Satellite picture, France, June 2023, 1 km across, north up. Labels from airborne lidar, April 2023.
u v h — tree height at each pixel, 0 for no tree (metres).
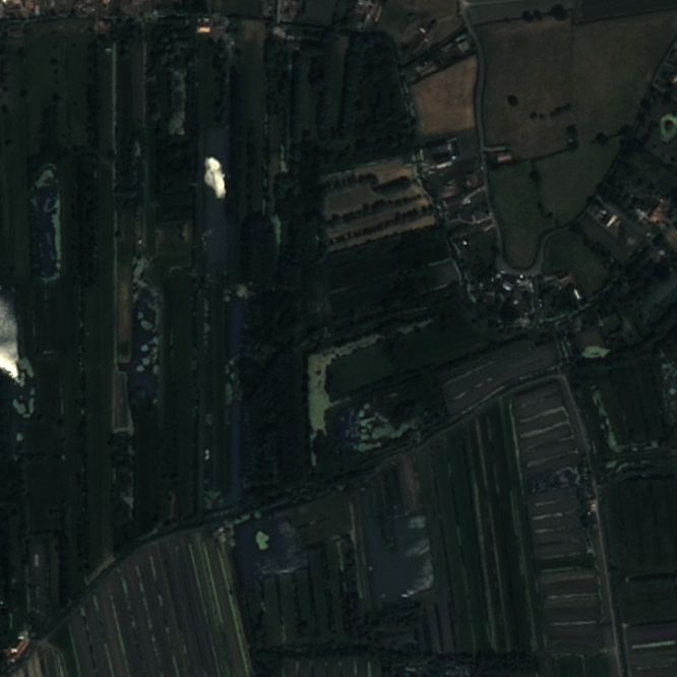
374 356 0
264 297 14
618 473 0
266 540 0
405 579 0
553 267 0
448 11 0
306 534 0
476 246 0
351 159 9
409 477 0
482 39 0
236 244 0
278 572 0
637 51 0
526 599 0
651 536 0
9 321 0
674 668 0
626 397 0
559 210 0
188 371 0
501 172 0
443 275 0
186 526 0
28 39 0
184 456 0
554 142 0
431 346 0
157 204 0
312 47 18
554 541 0
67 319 0
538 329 0
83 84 0
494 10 0
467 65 0
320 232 12
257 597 0
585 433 0
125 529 6
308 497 7
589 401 0
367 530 0
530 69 0
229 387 0
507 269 0
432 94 0
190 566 0
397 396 0
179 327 0
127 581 0
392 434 0
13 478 8
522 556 0
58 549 7
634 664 0
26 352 0
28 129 0
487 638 0
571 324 9
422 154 0
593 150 0
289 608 0
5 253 0
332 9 0
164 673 0
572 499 0
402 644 0
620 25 0
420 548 0
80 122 0
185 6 10
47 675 0
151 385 0
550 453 0
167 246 0
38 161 9
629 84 0
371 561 0
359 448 0
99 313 0
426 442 0
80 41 0
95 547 0
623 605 0
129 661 0
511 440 0
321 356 0
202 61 0
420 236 11
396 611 13
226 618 0
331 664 0
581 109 0
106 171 0
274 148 0
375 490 0
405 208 0
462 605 0
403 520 0
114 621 0
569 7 0
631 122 0
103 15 0
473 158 0
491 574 0
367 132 6
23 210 0
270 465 22
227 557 0
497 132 0
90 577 0
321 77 18
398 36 0
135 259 0
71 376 0
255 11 0
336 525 0
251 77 0
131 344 0
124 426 0
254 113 0
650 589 0
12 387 0
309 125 0
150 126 0
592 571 0
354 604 16
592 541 0
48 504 0
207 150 0
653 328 9
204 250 0
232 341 0
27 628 0
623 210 7
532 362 0
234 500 0
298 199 16
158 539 0
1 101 0
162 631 0
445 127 0
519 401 0
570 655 0
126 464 7
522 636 0
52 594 0
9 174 0
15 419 0
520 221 0
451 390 0
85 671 0
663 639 0
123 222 0
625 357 16
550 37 0
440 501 0
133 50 0
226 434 0
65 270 0
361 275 0
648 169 0
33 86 0
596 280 0
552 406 0
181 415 0
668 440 8
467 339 0
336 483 8
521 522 0
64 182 0
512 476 0
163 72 0
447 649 0
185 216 0
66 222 0
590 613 0
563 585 0
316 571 0
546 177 0
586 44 0
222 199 0
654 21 0
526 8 0
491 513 0
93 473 0
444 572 0
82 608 0
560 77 0
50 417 0
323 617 0
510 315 13
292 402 22
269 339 16
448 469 0
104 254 0
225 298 0
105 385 0
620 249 0
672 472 0
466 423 0
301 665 0
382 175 0
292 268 22
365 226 0
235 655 0
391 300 10
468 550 0
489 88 0
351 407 0
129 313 0
